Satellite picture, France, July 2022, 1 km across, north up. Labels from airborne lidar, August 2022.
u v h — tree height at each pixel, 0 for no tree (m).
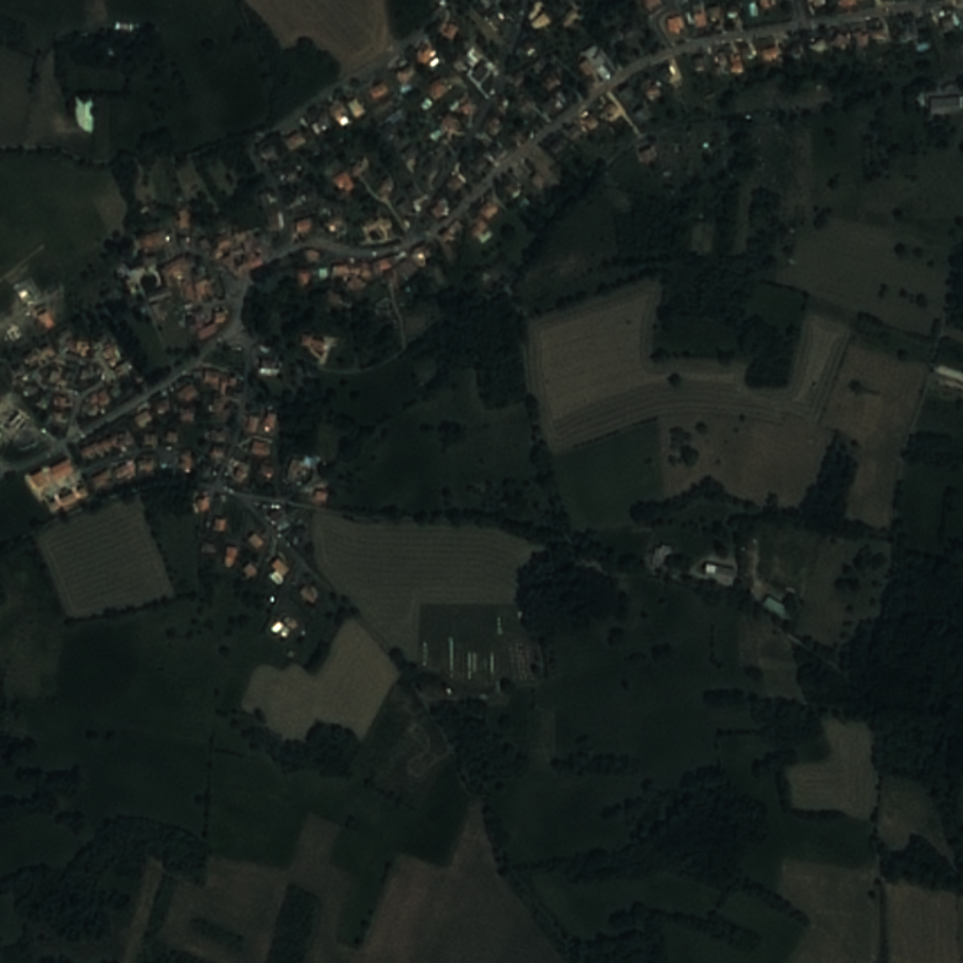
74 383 7
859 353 0
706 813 16
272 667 0
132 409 0
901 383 0
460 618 0
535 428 8
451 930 0
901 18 7
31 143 0
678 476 0
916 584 23
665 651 12
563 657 0
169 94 0
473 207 7
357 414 0
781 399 0
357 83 10
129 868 8
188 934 0
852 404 0
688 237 6
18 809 15
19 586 0
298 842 0
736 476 0
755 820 16
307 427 14
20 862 0
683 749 0
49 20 0
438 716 11
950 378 0
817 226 8
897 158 6
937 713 24
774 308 0
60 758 0
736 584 11
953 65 0
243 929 0
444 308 15
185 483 9
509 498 12
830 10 14
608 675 0
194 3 0
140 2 0
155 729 0
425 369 0
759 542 0
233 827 0
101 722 0
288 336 14
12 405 0
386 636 0
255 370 5
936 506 0
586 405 0
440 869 0
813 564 0
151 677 0
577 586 20
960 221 14
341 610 9
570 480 0
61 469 0
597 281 0
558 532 9
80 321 12
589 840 0
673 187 7
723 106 11
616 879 7
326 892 0
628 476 0
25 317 0
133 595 0
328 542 0
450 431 15
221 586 6
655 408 0
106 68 7
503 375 14
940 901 0
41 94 0
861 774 0
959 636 21
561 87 7
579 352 0
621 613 12
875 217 0
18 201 0
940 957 0
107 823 10
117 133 0
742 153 11
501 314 8
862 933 0
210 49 11
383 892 0
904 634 22
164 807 0
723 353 14
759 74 8
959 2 0
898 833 0
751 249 7
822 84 6
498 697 0
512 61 9
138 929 0
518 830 0
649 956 7
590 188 18
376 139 10
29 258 0
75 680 0
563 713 0
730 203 12
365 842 0
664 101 9
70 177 0
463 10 8
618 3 16
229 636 7
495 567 0
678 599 0
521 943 0
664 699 0
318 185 7
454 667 0
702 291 11
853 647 13
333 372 0
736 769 0
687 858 13
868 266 0
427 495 0
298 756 15
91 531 0
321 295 13
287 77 8
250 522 0
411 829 0
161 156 8
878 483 0
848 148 0
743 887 11
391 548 0
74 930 12
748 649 0
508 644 0
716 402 0
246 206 8
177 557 0
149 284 11
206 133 0
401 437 0
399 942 0
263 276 25
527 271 9
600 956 9
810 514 13
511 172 6
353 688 0
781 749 7
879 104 6
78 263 0
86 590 0
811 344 0
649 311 0
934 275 0
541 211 10
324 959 0
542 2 7
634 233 7
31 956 7
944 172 0
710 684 0
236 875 0
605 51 13
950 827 10
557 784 0
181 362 10
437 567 0
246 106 0
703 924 10
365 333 9
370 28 0
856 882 0
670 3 0
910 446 6
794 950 0
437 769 0
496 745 5
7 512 0
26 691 0
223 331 0
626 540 0
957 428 0
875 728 15
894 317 0
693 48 0
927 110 9
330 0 0
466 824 0
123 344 25
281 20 0
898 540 6
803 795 0
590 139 7
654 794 16
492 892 0
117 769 0
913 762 9
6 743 7
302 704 0
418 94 8
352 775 7
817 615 0
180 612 0
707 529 6
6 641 0
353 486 8
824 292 0
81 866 9
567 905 0
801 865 0
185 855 10
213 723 0
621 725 0
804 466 0
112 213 0
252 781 0
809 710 7
